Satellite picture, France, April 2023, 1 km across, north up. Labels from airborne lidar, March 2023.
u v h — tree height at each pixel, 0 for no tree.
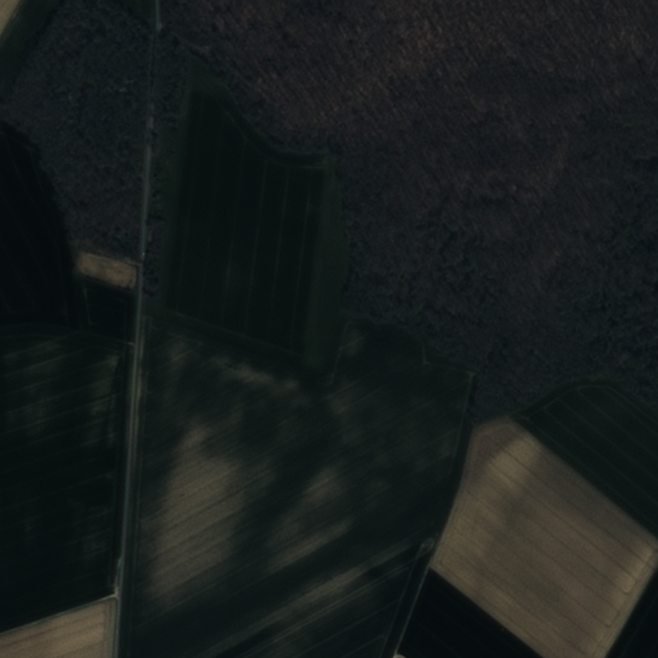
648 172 25
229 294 0
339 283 0
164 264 0
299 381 0
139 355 0
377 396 0
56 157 21
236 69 25
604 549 0
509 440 0
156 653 0
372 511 0
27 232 0
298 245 0
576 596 0
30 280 0
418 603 0
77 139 21
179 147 0
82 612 0
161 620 0
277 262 0
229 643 0
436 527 0
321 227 0
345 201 9
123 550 0
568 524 0
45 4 0
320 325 0
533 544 0
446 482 0
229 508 0
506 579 0
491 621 0
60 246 0
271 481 0
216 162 0
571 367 9
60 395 0
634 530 0
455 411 0
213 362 0
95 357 0
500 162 22
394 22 20
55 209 0
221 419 0
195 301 0
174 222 0
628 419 0
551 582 0
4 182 0
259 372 0
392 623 0
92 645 0
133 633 0
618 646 0
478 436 0
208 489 0
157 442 0
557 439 0
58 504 0
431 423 0
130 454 0
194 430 0
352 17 27
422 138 26
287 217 0
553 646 0
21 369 0
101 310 0
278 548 0
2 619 0
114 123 22
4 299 0
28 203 0
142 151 15
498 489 0
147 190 0
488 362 16
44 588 0
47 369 0
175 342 0
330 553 0
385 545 0
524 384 22
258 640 0
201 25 22
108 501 0
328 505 0
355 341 0
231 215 0
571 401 0
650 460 0
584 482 0
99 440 0
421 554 0
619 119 19
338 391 0
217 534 0
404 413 0
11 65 0
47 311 0
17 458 0
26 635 0
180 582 0
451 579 0
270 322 0
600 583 0
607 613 0
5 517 0
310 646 0
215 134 0
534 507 0
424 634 0
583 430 0
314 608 0
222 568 0
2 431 0
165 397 0
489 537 0
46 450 0
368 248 20
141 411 0
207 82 0
